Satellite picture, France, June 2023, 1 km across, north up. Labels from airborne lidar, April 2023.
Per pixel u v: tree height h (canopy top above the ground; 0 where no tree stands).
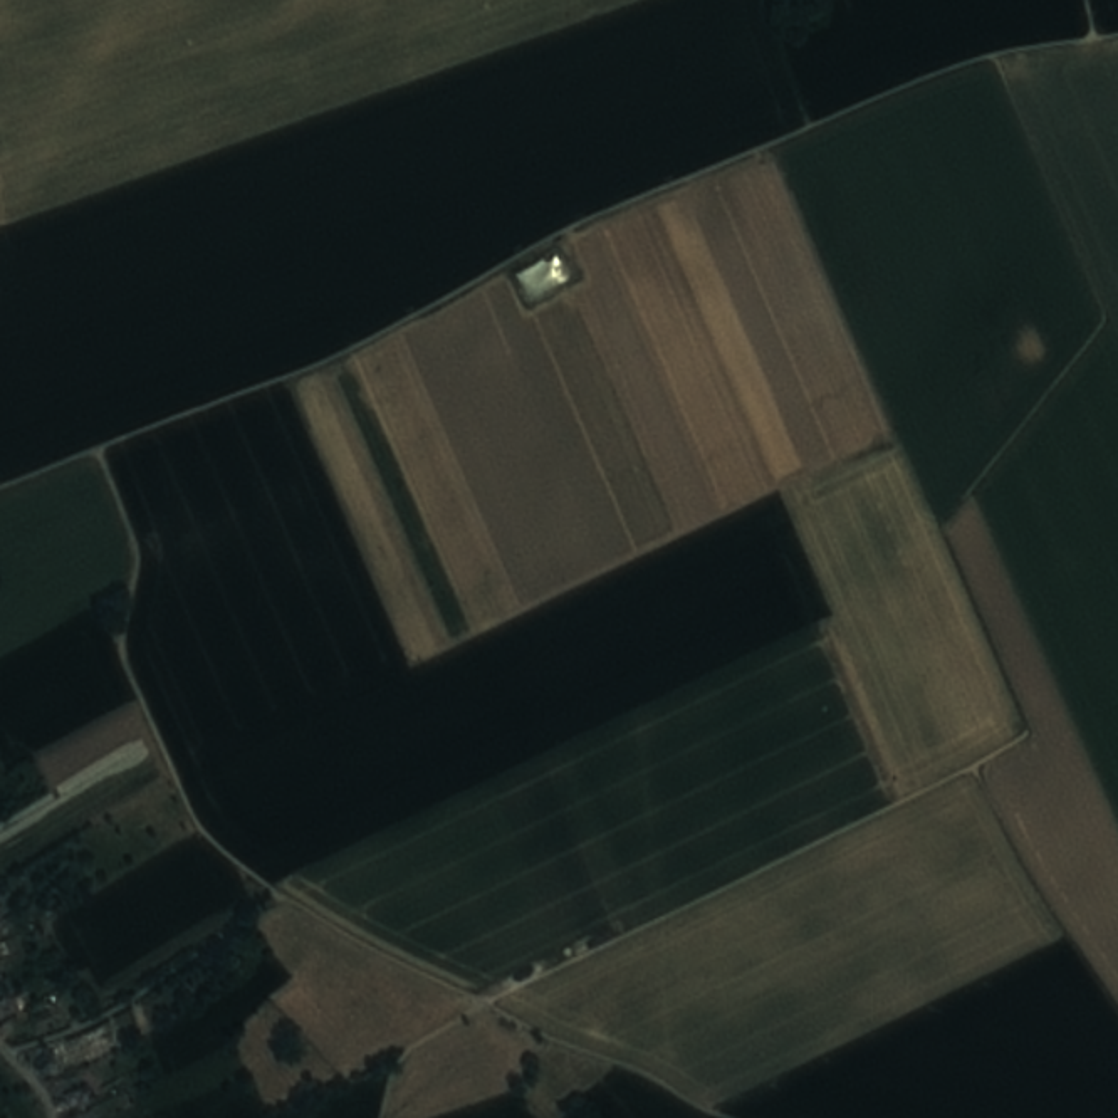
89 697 0
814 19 14
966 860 0
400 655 0
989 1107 0
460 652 0
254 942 16
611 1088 0
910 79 0
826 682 0
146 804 0
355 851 0
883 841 0
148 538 0
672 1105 0
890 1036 0
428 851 0
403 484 0
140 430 0
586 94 0
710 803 0
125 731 0
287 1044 22
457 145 0
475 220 0
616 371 0
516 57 0
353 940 0
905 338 0
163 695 0
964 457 0
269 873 0
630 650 0
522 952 0
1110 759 0
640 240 0
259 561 0
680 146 0
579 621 0
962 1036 0
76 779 0
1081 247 0
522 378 0
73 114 0
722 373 0
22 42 0
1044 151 0
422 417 0
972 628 0
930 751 0
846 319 0
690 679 0
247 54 0
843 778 0
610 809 0
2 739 0
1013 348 0
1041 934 0
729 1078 0
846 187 0
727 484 0
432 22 0
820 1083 0
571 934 0
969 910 0
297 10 0
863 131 0
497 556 0
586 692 0
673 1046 0
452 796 0
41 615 0
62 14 0
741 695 0
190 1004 12
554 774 0
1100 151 0
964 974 0
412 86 0
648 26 0
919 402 0
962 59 0
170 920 0
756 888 0
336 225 0
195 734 0
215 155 0
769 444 0
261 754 0
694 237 0
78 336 0
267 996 0
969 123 0
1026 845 0
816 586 0
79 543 0
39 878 12
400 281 0
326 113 0
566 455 0
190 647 0
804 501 0
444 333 0
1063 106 0
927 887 0
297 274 0
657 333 0
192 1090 0
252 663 0
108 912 0
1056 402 0
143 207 0
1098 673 0
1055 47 0
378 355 0
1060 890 0
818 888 0
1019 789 0
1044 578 0
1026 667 0
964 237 0
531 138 0
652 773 0
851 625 0
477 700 0
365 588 0
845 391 0
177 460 0
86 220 0
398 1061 16
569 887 0
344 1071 0
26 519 0
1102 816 0
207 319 0
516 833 0
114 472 0
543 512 0
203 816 0
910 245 0
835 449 0
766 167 0
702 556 0
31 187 0
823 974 0
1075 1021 0
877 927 0
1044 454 0
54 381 0
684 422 0
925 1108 0
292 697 0
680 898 0
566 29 0
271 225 0
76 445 0
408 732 0
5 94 0
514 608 0
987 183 0
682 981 0
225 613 0
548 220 0
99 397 0
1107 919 0
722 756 0
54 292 0
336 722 0
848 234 0
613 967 0
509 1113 0
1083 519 0
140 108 0
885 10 0
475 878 0
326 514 0
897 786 0
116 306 0
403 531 0
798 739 0
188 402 0
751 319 0
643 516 0
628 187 0
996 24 0
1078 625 0
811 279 0
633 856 0
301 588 0
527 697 0
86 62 0
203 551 0
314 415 0
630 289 0
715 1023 0
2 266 0
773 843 0
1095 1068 0
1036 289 0
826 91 0
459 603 0
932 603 0
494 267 0
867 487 0
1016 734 0
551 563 0
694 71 0
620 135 0
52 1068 0
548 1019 0
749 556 0
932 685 0
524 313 0
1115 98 0
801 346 0
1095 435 0
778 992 0
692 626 0
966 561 0
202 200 0
